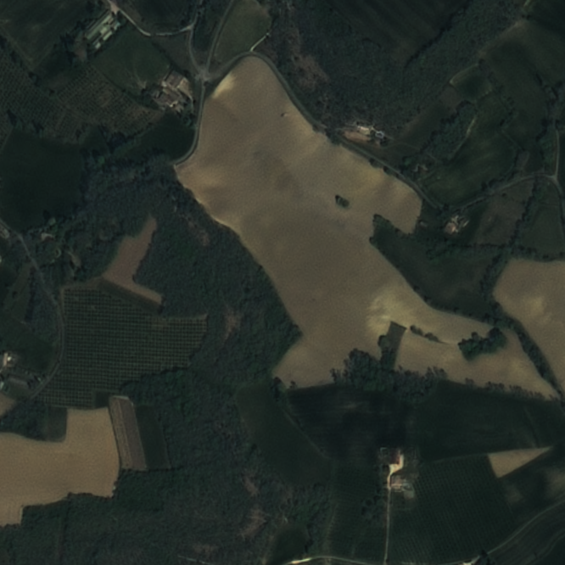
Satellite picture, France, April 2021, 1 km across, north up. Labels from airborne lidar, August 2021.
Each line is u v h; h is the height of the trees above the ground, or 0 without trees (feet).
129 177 54
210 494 67
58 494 0
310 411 0
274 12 56
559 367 0
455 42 54
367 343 0
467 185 0
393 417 0
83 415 0
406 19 0
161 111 0
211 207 0
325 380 0
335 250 0
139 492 26
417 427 0
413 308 0
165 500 49
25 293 0
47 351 0
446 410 0
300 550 0
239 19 0
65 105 21
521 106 0
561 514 0
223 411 58
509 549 0
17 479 0
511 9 62
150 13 0
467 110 54
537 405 0
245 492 41
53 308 71
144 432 0
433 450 0
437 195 0
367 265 0
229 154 0
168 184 43
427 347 0
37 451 0
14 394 0
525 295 0
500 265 78
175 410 57
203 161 0
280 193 0
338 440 0
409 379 66
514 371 0
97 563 55
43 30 0
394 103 49
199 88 0
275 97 0
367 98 46
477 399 0
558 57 0
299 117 0
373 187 0
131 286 0
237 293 57
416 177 40
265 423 0
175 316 51
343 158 0
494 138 0
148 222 41
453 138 61
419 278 0
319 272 0
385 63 52
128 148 92
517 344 0
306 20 53
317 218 0
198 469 63
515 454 0
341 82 30
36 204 0
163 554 58
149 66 0
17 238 32
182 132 0
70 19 0
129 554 59
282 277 0
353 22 0
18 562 52
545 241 0
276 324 32
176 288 62
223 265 57
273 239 0
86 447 0
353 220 0
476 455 0
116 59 0
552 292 0
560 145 0
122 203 48
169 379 46
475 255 62
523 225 58
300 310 0
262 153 0
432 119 0
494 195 24
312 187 0
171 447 45
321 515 51
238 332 37
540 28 0
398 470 0
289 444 0
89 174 34
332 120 36
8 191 0
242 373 73
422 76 58
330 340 0
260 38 0
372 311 0
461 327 0
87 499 39
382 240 0
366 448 0
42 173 0
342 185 0
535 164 0
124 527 50
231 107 0
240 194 0
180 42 0
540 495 0
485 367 0
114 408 0
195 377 62
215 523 44
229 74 0
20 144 0
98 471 0
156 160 61
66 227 30
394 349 26
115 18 53
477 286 0
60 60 0
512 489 0
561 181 0
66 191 0
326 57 31
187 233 52
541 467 0
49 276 56
